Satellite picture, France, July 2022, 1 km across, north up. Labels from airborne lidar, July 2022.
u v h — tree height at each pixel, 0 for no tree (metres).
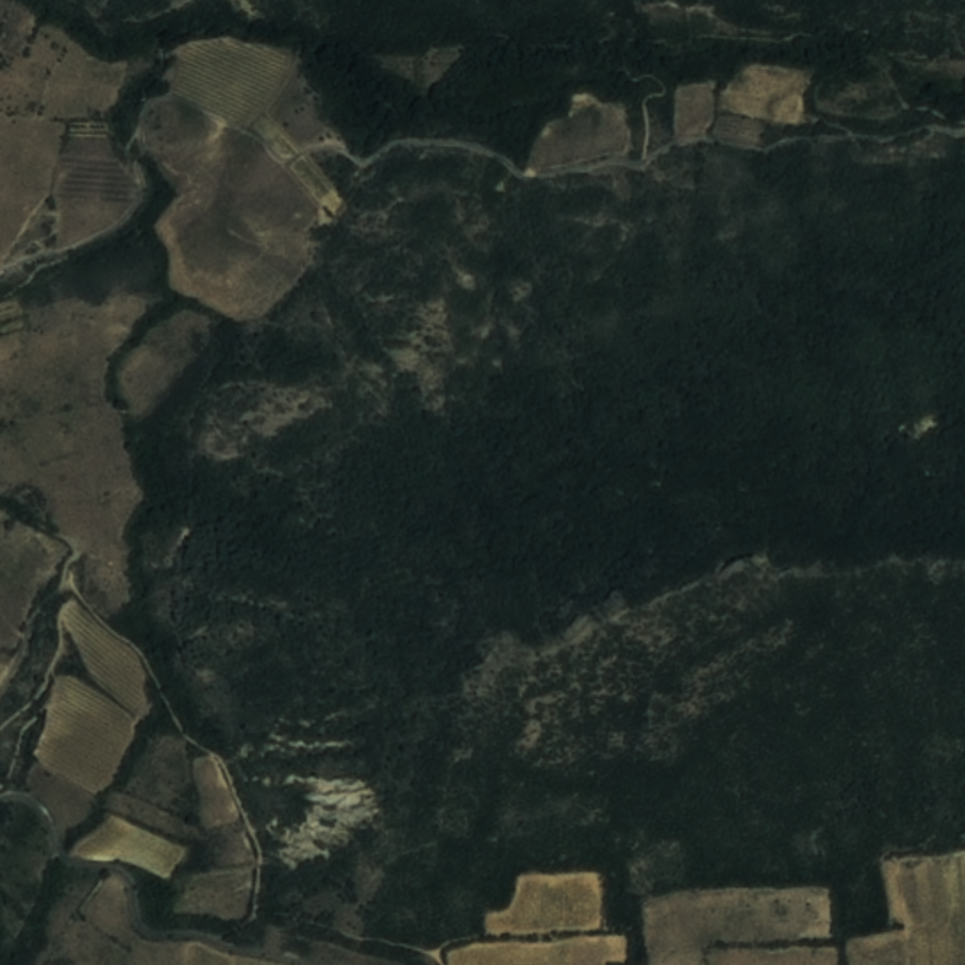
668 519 7
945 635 7
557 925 0
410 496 6
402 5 8
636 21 10
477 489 7
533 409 7
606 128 0
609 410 6
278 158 0
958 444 7
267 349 8
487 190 6
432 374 0
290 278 0
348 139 8
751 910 0
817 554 7
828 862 6
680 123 0
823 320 7
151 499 7
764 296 6
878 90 0
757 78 0
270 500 6
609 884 7
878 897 6
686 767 6
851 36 13
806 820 6
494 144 8
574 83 9
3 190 0
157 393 0
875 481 6
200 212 0
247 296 0
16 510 10
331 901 0
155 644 7
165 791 0
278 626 11
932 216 7
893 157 0
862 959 0
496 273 7
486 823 6
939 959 0
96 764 0
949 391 7
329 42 15
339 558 6
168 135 0
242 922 7
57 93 0
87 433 0
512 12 8
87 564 0
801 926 0
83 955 0
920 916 0
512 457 6
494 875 6
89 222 0
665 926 0
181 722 7
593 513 8
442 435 6
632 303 6
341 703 6
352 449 6
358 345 5
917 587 6
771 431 7
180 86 0
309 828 0
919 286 6
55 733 0
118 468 0
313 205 0
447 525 9
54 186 0
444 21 8
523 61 19
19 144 0
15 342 0
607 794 5
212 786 0
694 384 6
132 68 0
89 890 0
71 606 0
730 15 8
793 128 7
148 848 0
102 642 0
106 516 0
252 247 0
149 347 0
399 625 5
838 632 6
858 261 6
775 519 7
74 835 10
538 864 6
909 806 5
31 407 0
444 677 6
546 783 6
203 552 12
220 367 9
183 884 0
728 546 8
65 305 0
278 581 6
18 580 0
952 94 9
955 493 9
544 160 0
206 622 8
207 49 0
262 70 0
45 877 7
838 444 6
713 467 7
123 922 0
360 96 7
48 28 0
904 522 5
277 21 7
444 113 12
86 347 0
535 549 7
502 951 0
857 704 5
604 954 0
